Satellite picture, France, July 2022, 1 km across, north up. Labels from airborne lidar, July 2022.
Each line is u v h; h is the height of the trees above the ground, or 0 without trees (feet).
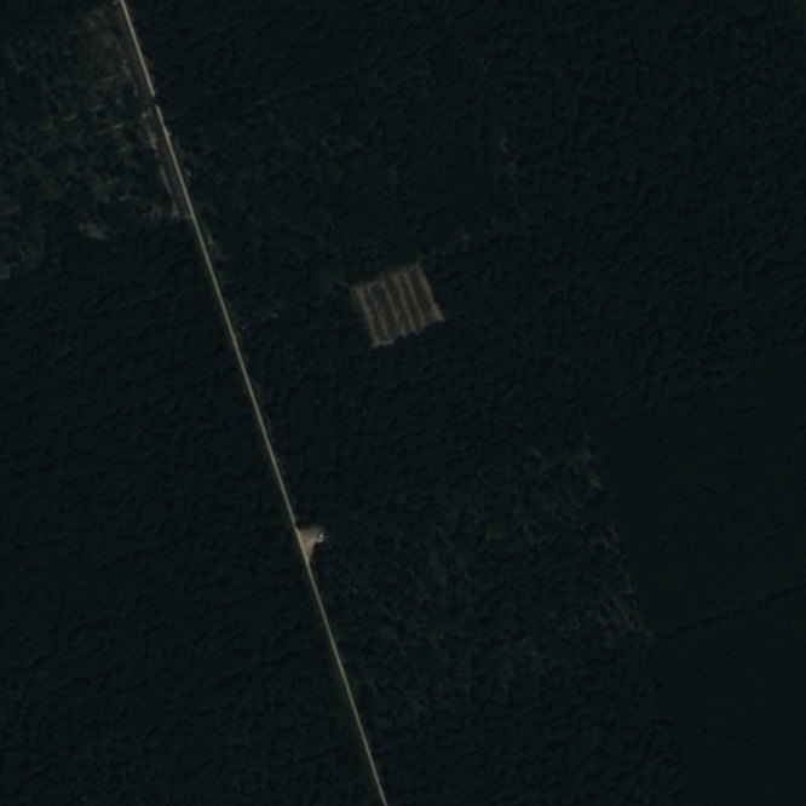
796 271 70
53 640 68
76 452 87
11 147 73
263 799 57
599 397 94
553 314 77
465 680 83
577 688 78
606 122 68
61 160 85
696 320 89
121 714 60
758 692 52
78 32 0
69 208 87
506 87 78
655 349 81
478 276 86
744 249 75
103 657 80
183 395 93
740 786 46
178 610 73
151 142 0
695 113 81
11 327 71
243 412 67
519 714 82
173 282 59
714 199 78
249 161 73
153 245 85
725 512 35
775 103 83
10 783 63
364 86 82
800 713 45
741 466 39
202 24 82
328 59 93
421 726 67
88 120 79
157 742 55
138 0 66
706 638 41
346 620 89
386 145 71
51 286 57
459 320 43
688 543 36
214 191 90
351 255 34
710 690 44
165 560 81
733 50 78
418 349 87
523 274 74
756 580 35
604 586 86
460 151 99
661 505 39
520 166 87
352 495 51
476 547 80
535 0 91
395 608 87
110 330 61
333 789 67
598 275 91
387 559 89
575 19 63
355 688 0
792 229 80
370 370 91
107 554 64
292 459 93
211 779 65
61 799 77
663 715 42
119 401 76
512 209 93
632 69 89
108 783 63
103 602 66
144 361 84
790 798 45
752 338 78
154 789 32
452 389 89
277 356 84
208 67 71
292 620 75
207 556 80
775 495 39
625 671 78
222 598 53
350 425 95
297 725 67
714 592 26
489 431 79
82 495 44
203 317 73
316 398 59
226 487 98
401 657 97
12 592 77
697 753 49
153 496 73
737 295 72
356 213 27
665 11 91
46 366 79
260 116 83
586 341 88
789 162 77
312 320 88
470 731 83
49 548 75
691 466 36
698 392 29
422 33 97
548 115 83
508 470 89
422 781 59
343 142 85
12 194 81
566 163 86
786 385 46
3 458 69
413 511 78
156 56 78
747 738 49
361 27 77
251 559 50
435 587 77
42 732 59
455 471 71
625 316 40
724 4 82
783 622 45
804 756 50
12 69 98
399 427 86
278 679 81
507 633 78
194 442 82
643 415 40
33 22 66
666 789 86
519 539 77
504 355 85
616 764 86
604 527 31
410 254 36
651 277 93
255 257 94
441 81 89
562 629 83
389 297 0
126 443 73
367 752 0
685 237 68
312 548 0
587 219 78
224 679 60
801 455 47
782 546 35
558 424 75
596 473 83
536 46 96
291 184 92
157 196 78
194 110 75
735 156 49
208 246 0
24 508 73
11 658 76
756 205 77
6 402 71
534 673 90
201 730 59
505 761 91
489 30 91
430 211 86
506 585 85
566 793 81
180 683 71
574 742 94
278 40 96
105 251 87
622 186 93
